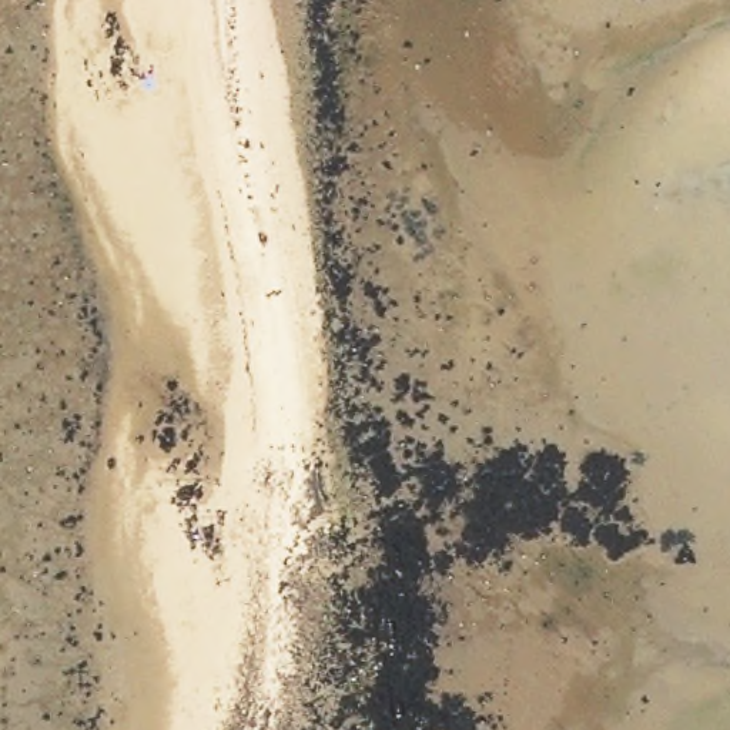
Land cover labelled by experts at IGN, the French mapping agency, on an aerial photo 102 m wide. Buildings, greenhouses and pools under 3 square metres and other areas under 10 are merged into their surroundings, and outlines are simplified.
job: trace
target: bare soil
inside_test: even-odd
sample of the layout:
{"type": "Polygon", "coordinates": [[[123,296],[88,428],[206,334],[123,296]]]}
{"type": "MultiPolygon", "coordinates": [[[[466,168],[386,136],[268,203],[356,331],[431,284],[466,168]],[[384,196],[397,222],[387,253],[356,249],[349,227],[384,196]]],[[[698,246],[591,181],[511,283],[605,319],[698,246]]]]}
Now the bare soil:
{"type": "Polygon", "coordinates": [[[394,493],[379,496],[374,490],[371,459],[365,459],[362,465],[354,465],[348,459],[342,431],[345,425],[359,425],[365,419],[388,422],[388,453],[396,471],[405,465],[422,465],[431,456],[431,451],[442,451],[445,462],[459,465],[456,479],[473,479],[479,462],[499,456],[499,451],[510,445],[525,445],[533,453],[539,453],[548,445],[556,445],[565,453],[565,485],[567,490],[576,490],[582,482],[582,462],[587,453],[605,451],[624,462],[624,505],[630,508],[636,528],[647,530],[644,542],[627,550],[624,556],[610,559],[610,553],[599,542],[576,545],[573,536],[562,530],[562,525],[550,522],[550,533],[542,533],[536,539],[525,539],[516,533],[505,553],[488,556],[485,562],[468,565],[462,559],[453,562],[448,573],[422,576],[419,590],[431,599],[436,633],[433,664],[439,667],[436,682],[428,684],[428,699],[436,704],[448,693],[462,696],[465,704],[473,710],[479,730],[730,730],[730,0],[0,0],[0,730],[334,730],[334,713],[342,696],[368,701],[371,687],[379,676],[376,659],[394,653],[394,642],[348,642],[351,630],[362,630],[368,624],[368,610],[359,596],[359,587],[368,585],[368,570],[382,562],[382,550],[374,545],[374,530],[379,525],[376,519],[371,519],[371,510],[411,502],[422,490],[419,479],[408,479],[394,493]]]}
{"type": "Polygon", "coordinates": [[[442,502],[442,519],[425,528],[431,553],[439,553],[445,545],[459,542],[465,530],[465,516],[453,516],[453,505],[442,502]]]}

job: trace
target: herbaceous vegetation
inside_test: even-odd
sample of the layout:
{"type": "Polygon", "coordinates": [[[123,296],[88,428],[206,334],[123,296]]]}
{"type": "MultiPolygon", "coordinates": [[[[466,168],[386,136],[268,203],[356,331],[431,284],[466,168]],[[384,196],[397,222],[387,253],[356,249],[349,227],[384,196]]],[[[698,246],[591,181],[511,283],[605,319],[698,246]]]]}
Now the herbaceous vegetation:
{"type": "Polygon", "coordinates": [[[479,462],[473,479],[456,479],[459,465],[445,462],[442,451],[431,451],[431,456],[422,465],[405,465],[396,471],[388,453],[388,422],[365,419],[359,425],[345,425],[342,431],[348,459],[354,465],[362,465],[365,459],[371,459],[374,490],[379,496],[394,493],[408,479],[419,479],[422,490],[411,502],[371,510],[371,519],[376,519],[379,525],[374,530],[374,545],[382,550],[382,562],[368,570],[368,585],[359,587],[359,596],[368,610],[368,624],[362,630],[351,630],[348,642],[394,642],[394,653],[376,659],[379,676],[371,687],[368,701],[342,696],[334,713],[334,730],[479,730],[473,710],[465,704],[462,696],[448,693],[436,704],[428,699],[428,684],[436,682],[439,667],[433,664],[436,633],[431,599],[419,590],[422,576],[448,573],[453,562],[462,559],[468,565],[485,562],[488,556],[505,553],[516,533],[525,539],[536,539],[542,533],[550,533],[550,522],[562,525],[562,530],[573,536],[576,545],[599,542],[610,553],[610,559],[624,556],[627,550],[644,542],[647,530],[636,528],[630,508],[624,505],[624,462],[605,451],[587,453],[582,462],[582,482],[576,490],[567,490],[565,485],[565,453],[556,445],[548,445],[539,453],[533,453],[525,445],[510,445],[499,451],[499,456],[479,462]],[[442,502],[453,505],[453,516],[465,516],[465,530],[459,542],[445,545],[439,553],[431,553],[425,528],[442,519],[442,502]]]}

